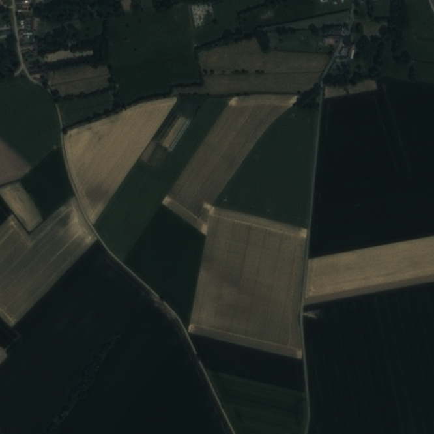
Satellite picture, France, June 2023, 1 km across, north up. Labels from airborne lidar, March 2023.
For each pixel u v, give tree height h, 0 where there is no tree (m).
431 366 0
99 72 0
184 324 0
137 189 0
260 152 0
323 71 0
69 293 0
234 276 0
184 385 0
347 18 0
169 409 0
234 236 0
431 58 0
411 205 0
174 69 0
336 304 0
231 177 0
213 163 0
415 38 10
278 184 0
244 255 0
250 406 0
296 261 0
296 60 0
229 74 0
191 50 0
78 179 0
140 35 0
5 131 0
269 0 14
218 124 0
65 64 19
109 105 0
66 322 0
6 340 0
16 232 0
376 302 0
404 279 0
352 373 0
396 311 0
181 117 0
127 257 0
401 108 0
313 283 0
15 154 0
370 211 0
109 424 0
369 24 0
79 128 0
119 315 0
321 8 0
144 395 0
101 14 20
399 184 0
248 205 0
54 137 0
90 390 0
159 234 0
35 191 0
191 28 0
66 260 0
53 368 0
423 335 0
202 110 0
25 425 0
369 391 0
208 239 0
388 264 0
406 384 0
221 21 0
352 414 0
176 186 0
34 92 0
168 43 0
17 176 0
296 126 0
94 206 0
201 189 0
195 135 0
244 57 0
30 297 0
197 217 0
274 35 0
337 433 0
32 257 0
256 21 0
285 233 0
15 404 0
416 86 0
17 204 0
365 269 0
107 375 0
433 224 0
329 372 0
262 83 0
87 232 0
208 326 0
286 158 0
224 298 0
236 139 0
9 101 0
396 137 0
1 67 26
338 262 0
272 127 0
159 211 0
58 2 14
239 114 0
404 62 20
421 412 0
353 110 0
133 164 0
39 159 0
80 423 0
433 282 0
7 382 0
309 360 0
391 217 0
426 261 0
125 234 0
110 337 0
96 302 0
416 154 0
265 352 0
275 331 0
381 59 18
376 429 0
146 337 0
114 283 0
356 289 0
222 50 0
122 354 0
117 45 0
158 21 0
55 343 0
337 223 0
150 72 0
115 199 0
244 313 0
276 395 0
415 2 0
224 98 0
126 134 0
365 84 0
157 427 0
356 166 0
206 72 9
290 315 0
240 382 0
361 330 0
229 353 0
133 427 0
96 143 0
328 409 0
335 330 0
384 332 0
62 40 8
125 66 0
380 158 0
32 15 0
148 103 0
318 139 0
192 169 0
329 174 0
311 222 0
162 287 0
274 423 0
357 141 0
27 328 0
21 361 0
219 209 0
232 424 0
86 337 0
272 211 0
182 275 0
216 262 0
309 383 0
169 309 0
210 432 0
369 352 0
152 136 0
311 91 13
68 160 0
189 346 0
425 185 0
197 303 0
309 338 0
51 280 0
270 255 0
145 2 0
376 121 0
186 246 0
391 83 0
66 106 0
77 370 0
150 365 0
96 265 0
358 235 0
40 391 0
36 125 0
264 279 0
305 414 0
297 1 6
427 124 0
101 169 0
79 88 0
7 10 16
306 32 0
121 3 18
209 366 0
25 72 0
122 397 0
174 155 0
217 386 0
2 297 0
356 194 0
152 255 0
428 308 0
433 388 0
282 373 0
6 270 0
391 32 21
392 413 0
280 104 0
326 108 0
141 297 0
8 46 9
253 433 0
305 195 0
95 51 7
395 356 0
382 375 0
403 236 0
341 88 0
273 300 0
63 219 0
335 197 0
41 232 0
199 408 0
